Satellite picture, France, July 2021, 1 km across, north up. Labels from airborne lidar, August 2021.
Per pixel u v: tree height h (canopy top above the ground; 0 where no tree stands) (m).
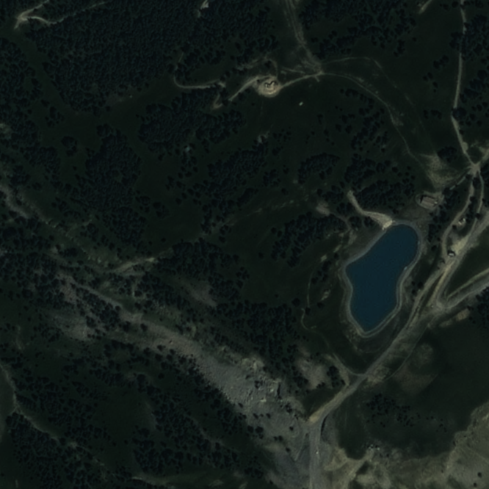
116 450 0
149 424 0
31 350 0
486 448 0
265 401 0
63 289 0
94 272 8
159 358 20
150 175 0
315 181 0
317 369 0
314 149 0
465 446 0
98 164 22
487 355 0
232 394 0
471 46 20
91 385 0
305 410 0
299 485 0
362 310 0
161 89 0
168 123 24
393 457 0
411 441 0
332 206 0
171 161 0
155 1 27
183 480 0
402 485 0
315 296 0
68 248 0
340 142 0
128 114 0
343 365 0
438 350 0
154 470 15
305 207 0
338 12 23
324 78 0
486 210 0
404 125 0
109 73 22
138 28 21
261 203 0
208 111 0
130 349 12
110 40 10
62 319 0
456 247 0
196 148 13
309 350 0
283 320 18
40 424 0
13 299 14
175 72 20
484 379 0
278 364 8
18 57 18
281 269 0
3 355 0
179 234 0
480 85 29
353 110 0
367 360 0
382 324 0
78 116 0
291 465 0
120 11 21
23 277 20
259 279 0
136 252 8
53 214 0
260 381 0
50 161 18
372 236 0
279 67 0
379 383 0
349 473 0
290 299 0
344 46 18
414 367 0
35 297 12
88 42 19
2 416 0
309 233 23
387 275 0
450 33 0
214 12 20
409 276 0
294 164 0
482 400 0
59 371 0
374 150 0
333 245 0
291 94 0
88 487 17
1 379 0
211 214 14
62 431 0
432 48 0
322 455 0
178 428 8
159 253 0
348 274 0
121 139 21
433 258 0
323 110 0
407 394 0
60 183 17
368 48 0
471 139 0
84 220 7
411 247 0
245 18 22
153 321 0
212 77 0
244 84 0
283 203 0
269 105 0
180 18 26
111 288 0
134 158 23
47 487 13
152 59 20
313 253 0
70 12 17
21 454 10
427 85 0
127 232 19
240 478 0
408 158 0
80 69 22
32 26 14
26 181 19
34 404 20
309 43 0
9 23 0
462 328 0
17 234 22
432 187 0
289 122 0
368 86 0
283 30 0
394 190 14
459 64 0
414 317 0
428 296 0
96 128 0
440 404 0
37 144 18
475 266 0
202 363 0
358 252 0
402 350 0
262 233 0
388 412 13
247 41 17
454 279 0
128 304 0
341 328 0
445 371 0
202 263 19
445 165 0
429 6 0
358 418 0
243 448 0
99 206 17
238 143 0
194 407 0
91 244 0
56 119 15
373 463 0
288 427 0
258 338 18
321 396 0
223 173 20
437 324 0
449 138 0
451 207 14
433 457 0
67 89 17
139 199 19
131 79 17
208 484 0
